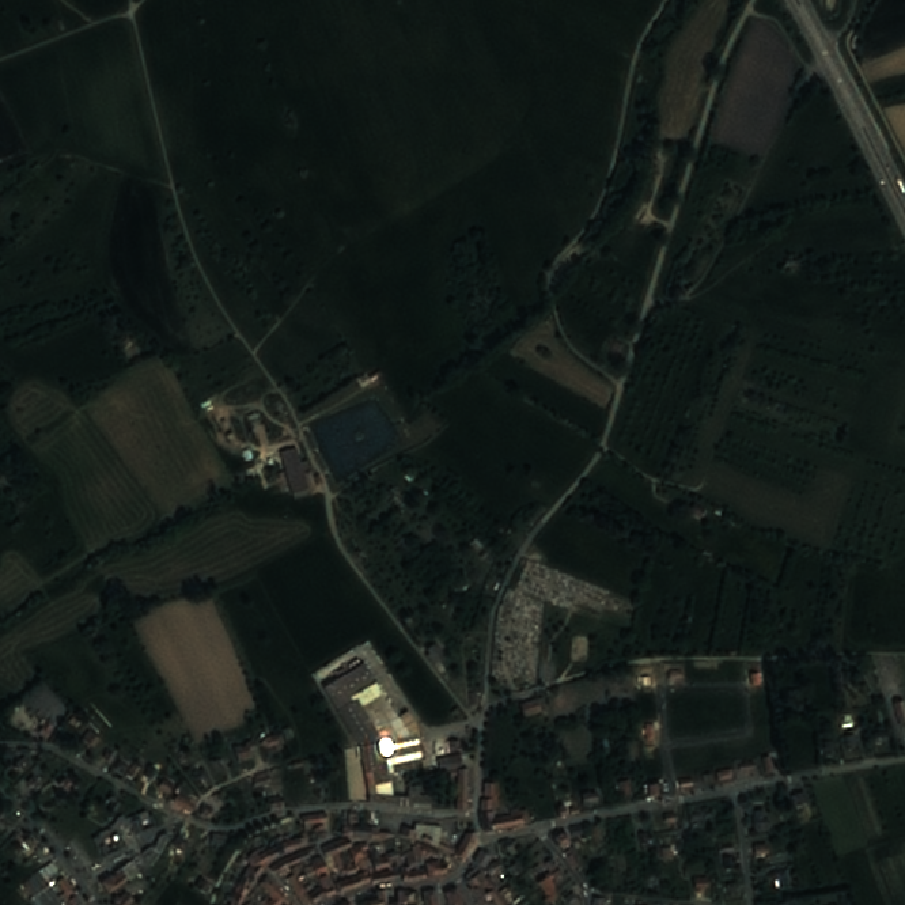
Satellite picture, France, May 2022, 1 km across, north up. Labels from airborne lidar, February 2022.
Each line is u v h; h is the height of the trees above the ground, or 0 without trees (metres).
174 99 0
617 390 0
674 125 0
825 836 9
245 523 0
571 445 0
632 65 0
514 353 0
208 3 0
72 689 0
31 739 7
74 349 0
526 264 0
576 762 0
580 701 0
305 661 0
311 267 0
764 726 0
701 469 0
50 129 0
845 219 0
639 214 0
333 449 0
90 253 0
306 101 0
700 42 0
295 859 0
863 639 0
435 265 0
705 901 0
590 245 13
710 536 15
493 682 12
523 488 0
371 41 0
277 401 0
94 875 0
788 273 11
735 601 0
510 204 0
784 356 6
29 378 0
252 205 0
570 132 0
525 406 0
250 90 0
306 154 0
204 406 0
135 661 0
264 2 0
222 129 0
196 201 0
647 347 15
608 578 0
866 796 0
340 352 10
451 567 7
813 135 0
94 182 0
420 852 0
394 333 0
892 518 0
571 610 0
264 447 0
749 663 0
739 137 0
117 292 0
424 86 0
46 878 0
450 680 0
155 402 0
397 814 0
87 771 0
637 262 0
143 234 0
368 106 0
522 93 0
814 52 0
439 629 16
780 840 11
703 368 0
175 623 0
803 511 0
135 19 0
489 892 0
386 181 0
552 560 0
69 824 0
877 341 0
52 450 0
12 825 0
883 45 0
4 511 7
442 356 0
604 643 0
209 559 0
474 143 0
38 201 0
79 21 0
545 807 0
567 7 0
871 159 0
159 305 0
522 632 0
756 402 11
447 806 9
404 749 0
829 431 0
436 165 0
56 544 0
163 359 12
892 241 0
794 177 0
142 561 0
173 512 0
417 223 0
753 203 0
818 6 0
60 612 0
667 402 0
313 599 0
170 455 0
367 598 0
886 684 0
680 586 0
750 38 0
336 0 0
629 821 6
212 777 0
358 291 0
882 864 0
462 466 0
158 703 0
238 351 0
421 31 0
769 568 0
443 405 0
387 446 0
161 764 0
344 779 0
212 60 0
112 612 13
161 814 0
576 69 0
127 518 0
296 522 0
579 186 0
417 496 17
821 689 0
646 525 21
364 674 0
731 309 0
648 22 0
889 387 0
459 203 0
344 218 0
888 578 0
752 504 0
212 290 0
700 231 0
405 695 0
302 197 0
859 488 0
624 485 0
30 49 0
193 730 0
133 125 0
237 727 0
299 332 0
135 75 0
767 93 0
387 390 0
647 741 0
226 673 0
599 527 21
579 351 0
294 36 0
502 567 8
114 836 0
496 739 0
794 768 0
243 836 11
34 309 7
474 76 0
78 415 0
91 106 0
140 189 0
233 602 0
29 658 0
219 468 0
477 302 7
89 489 0
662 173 0
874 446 0
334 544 0
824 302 0
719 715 0
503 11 0
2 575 0
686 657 7
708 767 0
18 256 0
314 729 0
